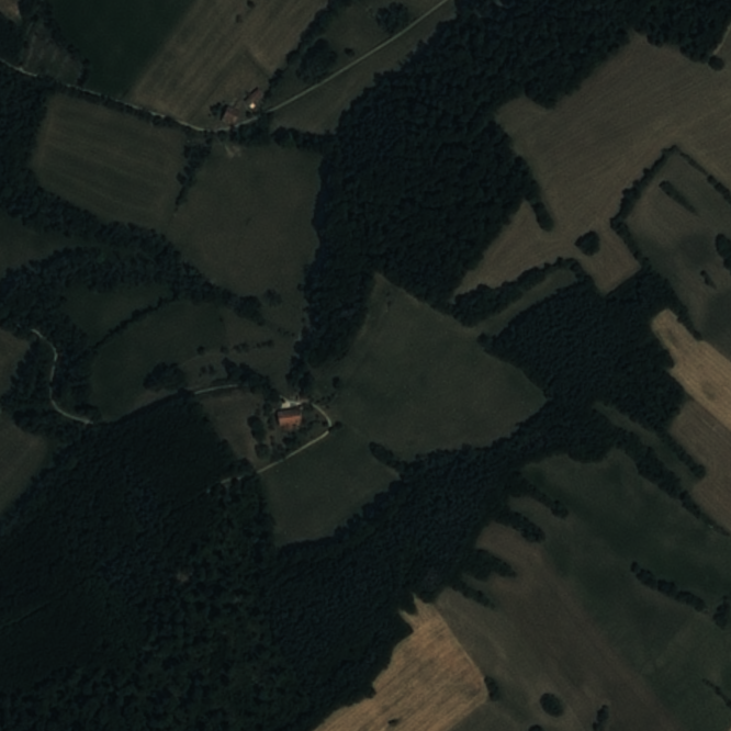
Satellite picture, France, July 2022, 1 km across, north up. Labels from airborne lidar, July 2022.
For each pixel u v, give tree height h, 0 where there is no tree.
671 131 0
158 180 0
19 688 15
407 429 0
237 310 17
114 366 0
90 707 31
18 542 18
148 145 0
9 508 0
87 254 23
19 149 29
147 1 0
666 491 14
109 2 0
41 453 0
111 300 0
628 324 17
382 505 24
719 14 21
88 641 17
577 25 22
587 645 0
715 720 0
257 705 7
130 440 18
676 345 0
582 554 0
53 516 19
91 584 14
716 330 0
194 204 0
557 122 0
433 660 0
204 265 0
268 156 0
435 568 17
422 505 28
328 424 6
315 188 0
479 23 13
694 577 0
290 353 0
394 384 0
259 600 8
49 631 13
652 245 0
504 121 0
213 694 31
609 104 0
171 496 15
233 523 13
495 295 18
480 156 30
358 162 26
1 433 0
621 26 28
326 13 16
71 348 15
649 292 17
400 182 26
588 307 19
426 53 25
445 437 0
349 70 0
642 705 0
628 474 0
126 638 21
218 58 0
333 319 29
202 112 0
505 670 0
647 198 0
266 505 13
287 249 0
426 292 15
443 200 30
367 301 27
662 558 0
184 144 0
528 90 15
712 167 0
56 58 0
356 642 14
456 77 36
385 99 24
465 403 0
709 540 0
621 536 0
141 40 0
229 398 0
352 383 0
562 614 0
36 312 23
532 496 12
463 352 0
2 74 18
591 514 0
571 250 0
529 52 27
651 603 0
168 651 34
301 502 0
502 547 0
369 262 28
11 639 12
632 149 0
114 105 17
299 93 0
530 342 27
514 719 0
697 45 23
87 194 0
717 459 0
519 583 0
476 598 7
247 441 0
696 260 0
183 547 13
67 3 0
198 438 14
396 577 18
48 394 10
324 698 18
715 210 0
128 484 26
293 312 0
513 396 0
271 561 25
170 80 0
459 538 23
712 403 0
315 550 27
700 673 0
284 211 0
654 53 0
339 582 19
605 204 0
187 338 0
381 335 0
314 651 18
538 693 0
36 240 0
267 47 0
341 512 0
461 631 0
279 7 0
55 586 18
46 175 0
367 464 0
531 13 28
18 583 18
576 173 0
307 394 10
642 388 10
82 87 16
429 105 10
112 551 20
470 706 0
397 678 0
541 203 12
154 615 15
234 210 0
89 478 20
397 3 0
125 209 0
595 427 16
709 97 0
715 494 0
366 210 31
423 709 0
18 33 17
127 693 27
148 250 30
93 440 21
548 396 13
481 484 25
